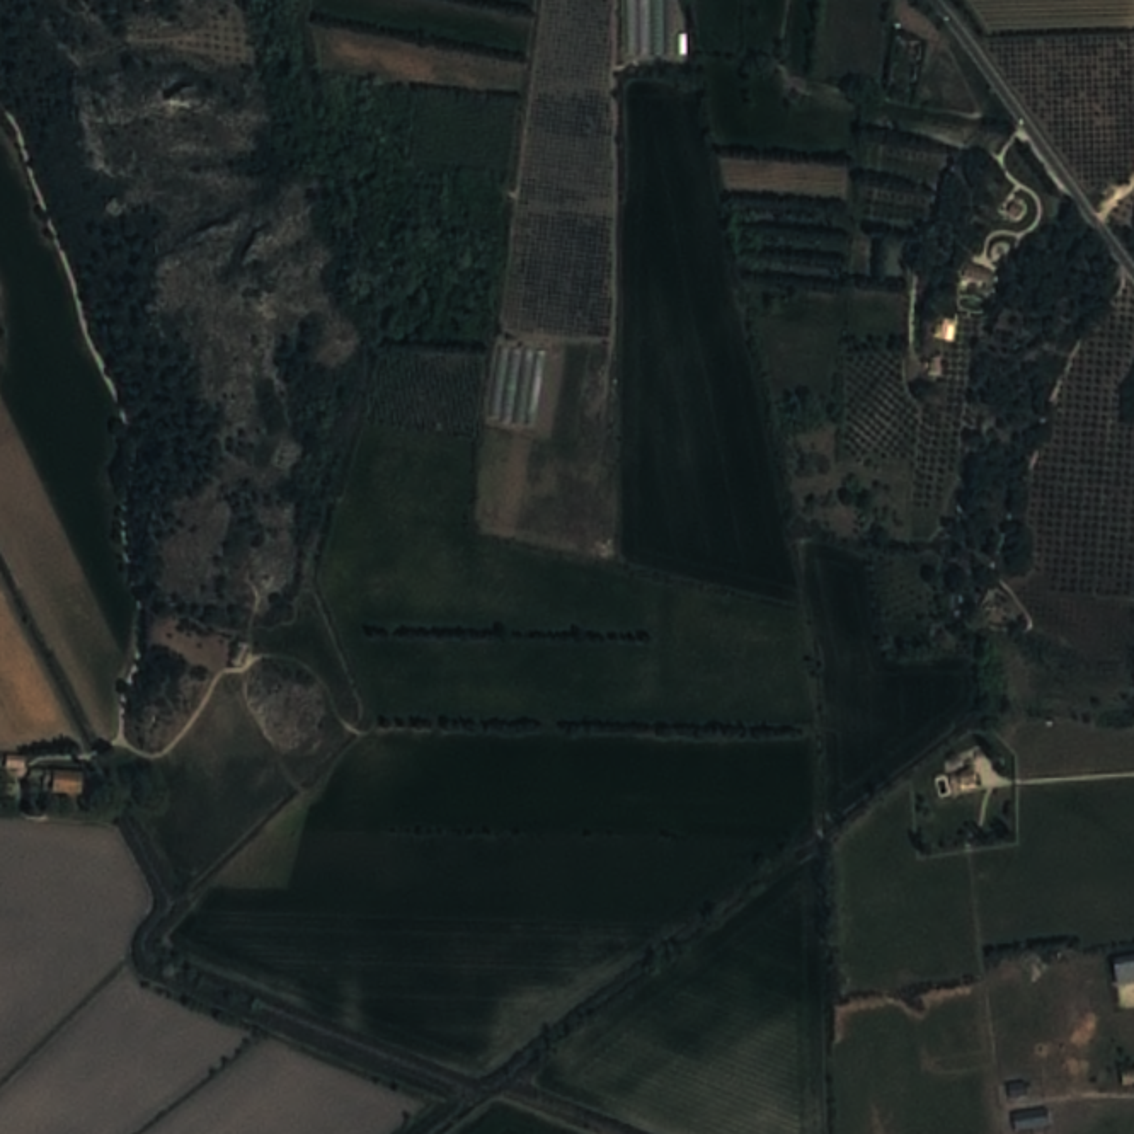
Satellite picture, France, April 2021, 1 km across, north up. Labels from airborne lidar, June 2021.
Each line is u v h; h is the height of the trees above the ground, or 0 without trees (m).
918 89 7
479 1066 0
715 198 0
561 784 0
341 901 0
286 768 0
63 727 0
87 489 0
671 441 0
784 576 0
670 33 0
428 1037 0
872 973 0
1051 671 8
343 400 12
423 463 0
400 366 5
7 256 0
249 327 0
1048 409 11
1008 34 6
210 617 15
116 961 0
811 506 9
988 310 11
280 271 0
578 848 0
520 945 0
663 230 0
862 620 0
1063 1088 0
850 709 0
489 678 0
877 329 0
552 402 0
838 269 9
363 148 19
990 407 13
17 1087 0
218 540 0
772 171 0
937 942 0
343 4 0
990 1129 0
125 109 0
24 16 12
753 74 15
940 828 0
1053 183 14
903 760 0
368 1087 0
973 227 13
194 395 9
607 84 0
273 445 0
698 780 0
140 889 0
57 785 0
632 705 0
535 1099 8
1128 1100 0
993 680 12
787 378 0
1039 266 11
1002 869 0
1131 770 0
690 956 13
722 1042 0
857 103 13
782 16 0
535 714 0
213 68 0
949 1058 0
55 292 0
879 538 17
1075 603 0
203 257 0
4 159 0
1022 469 12
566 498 0
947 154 10
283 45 23
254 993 5
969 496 8
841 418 13
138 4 9
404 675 0
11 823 0
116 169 0
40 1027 0
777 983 0
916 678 0
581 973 0
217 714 0
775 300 12
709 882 0
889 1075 0
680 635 0
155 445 7
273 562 0
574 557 0
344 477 6
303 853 0
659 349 0
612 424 0
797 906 0
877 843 0
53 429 0
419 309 22
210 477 7
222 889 0
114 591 0
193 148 0
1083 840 0
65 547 0
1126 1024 0
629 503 0
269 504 6
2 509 0
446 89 7
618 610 0
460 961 0
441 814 0
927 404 7
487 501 0
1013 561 13
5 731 0
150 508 13
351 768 0
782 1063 0
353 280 22
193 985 7
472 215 8
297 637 0
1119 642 0
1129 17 0
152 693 8
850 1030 0
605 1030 0
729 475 0
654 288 0
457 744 0
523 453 0
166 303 0
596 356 0
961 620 8
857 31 0
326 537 9
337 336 0
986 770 0
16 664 0
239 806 0
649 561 0
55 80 7
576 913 0
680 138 0
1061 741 0
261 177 10
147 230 0
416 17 0
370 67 0
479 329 7
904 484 0
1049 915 0
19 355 0
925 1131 0
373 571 0
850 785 0
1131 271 0
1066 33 7
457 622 0
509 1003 0
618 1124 6
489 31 0
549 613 0
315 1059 0
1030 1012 0
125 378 14
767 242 8
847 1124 0
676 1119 0
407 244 19
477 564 0
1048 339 9
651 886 0
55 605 0
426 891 0
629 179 6
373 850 0
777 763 0
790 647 0
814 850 6
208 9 0
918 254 14
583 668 0
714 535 0
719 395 0
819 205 11
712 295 0
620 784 0
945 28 15
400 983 0
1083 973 0
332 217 19
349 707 0
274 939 0
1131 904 0
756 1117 0
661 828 0
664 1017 0
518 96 8
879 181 14
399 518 0
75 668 0
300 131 17
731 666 0
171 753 0
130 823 8
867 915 0
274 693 0
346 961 0
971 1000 0
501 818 0
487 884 0
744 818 0
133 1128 0
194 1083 0
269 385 0
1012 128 11
